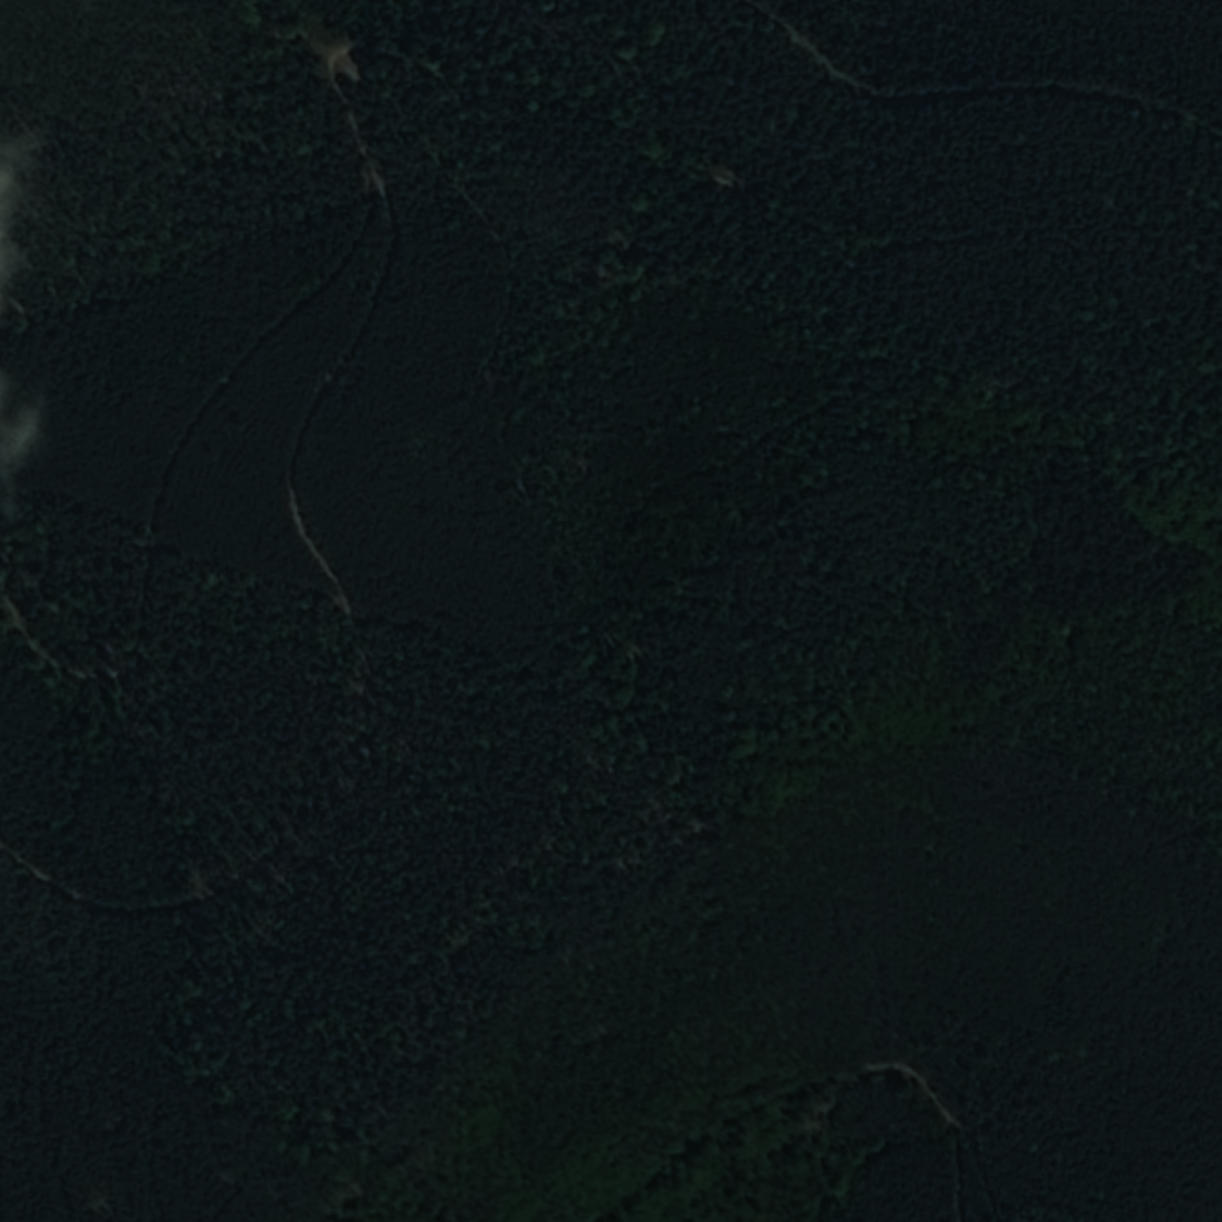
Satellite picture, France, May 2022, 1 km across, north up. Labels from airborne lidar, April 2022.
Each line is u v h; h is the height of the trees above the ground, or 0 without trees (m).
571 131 26
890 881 18
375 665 17
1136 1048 19
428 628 19
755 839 20
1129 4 22
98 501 17
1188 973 19
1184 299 25
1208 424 27
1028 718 19
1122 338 23
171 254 24
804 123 24
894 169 21
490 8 30
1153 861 21
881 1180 24
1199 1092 17
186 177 25
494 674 17
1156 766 22
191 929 12
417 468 11
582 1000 20
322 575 16
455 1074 21
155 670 32
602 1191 18
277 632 23
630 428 11
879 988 15
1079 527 30
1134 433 19
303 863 24
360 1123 14
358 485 13
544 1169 24
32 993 19
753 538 11
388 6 29
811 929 20
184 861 33
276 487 13
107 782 19
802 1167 14
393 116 23
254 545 14
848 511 21
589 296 7
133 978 24
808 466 15
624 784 14
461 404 15
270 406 16
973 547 20
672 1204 22
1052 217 26
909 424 11
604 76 26
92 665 10
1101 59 27
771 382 9
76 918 27
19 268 29
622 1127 18
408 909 21
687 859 26
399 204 14
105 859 21
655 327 13
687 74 27
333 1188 19
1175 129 24
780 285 20
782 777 24
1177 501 23
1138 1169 17
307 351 15
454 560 18
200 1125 22
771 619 18
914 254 24
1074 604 29
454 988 27
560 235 17
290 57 24
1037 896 22
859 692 18
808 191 22
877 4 18
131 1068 21
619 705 21
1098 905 18
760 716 21
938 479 20
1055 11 20
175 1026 12
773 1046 20
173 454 14
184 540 15
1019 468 16
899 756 19
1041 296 23
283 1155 18
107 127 20
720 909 17
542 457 10
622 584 13
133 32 17
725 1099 18
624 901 11
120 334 20
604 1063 20
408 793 31
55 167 23
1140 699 18
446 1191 19
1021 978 19
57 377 18
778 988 21
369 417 13
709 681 20
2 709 22
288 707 18
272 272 19
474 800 27
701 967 20
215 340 20
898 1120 22
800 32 26
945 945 19
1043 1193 14
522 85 31
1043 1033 20
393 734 30
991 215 23
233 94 22
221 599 29
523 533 13
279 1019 27
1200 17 25
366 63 21
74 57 18
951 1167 20
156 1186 19
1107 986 21
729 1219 19
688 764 21
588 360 13
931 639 16
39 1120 24
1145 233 22
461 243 21
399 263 17
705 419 11
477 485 14
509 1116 23
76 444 17
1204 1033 19
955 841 19
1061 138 21
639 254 22
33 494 9
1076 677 19
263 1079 24
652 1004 22
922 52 19
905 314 25
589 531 8
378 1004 13
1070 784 24
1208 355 30
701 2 26
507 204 18
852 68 22
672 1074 19
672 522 10
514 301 14
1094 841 20
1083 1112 15
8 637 13
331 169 23
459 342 17
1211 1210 17
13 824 25
